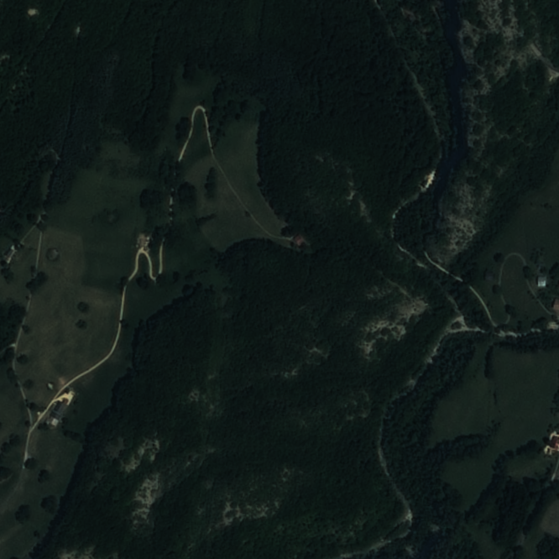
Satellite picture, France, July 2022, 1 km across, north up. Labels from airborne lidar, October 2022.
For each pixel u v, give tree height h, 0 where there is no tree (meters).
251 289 13
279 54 25
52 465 0
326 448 15
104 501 12
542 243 0
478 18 11
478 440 17
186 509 19
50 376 0
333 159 15
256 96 18
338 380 19
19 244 11
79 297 0
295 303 14
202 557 12
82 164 20
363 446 24
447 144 18
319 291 15
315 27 30
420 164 19
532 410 0
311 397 18
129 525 10
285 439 15
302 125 22
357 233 16
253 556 13
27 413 0
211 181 13
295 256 20
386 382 24
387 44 20
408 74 14
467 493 0
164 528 16
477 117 11
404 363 23
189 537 9
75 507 19
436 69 15
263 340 15
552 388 0
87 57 17
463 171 10
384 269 19
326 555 12
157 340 9
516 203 20
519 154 15
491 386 0
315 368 8
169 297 0
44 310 0
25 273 0
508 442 0
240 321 14
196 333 17
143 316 0
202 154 0
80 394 0
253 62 20
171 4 6
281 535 9
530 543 0
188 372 14
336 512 20
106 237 0
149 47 22
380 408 18
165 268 0
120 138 6
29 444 0
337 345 16
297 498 13
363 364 10
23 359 15
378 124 34
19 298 0
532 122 6
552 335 13
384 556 11
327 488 19
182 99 0
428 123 24
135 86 20
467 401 0
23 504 0
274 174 21
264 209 0
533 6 11
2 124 18
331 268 17
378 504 10
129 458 7
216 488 13
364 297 10
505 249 0
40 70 20
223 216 0
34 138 19
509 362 0
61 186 25
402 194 17
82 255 0
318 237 14
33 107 20
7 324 19
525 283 0
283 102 21
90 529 18
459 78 15
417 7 20
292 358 12
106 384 0
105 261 0
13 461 0
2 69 18
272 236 0
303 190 10
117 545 17
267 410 13
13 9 19
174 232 20
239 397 16
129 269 0
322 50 28
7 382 0
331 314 13
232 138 0
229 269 6
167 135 0
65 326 0
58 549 9
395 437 18
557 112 11
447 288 18
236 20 11
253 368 16
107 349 0
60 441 0
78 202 0
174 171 21
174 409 15
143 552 18
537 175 16
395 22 9
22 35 19
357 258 19
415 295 11
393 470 14
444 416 0
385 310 11
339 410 8
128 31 21
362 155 23
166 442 12
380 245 15
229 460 15
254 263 12
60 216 0
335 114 31
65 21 17
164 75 23
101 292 0
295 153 13
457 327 6
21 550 0
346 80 25
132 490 11
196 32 12
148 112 19
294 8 26
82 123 24
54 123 21
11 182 19
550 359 0
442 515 19
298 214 18
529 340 7
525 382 0
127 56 16
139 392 14
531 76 9
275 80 20
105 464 9
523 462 0
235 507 11
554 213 0
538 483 15
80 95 18
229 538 16
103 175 0
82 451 0
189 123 21
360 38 10
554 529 0
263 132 17
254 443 10
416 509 14
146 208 14
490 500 26
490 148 11
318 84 27
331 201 10
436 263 10
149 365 16
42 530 0
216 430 10
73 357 0
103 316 0
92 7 17
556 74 0
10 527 0
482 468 0
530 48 14
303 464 17
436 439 0
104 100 19
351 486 27
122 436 6
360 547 19
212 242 0
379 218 23
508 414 0
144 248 0
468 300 23
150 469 9
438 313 19
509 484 18
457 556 15
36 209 15
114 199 0
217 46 17
